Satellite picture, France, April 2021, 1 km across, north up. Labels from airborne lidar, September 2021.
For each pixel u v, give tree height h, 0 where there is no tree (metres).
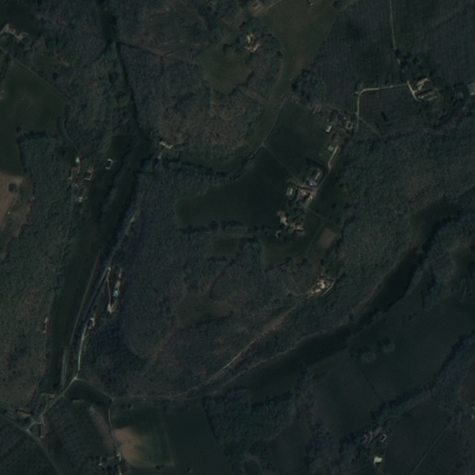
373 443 0
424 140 19
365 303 20
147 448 0
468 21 18
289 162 0
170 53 0
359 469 7
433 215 0
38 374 8
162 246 18
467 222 21
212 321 7
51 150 20
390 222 22
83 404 0
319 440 15
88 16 22
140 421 0
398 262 19
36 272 18
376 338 0
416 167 20
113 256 16
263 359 15
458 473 15
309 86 17
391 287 0
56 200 23
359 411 0
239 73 0
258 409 16
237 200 0
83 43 22
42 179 21
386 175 25
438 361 0
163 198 20
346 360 0
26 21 0
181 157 7
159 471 8
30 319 10
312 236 0
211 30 15
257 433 25
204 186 22
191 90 17
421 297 0
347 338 16
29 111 0
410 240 16
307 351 0
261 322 16
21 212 0
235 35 0
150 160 9
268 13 0
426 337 0
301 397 12
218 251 0
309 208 0
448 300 0
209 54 0
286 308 22
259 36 19
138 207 15
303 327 9
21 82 0
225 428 27
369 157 26
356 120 13
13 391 0
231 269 20
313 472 15
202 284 11
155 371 10
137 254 16
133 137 8
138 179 22
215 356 9
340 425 0
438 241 23
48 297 18
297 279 22
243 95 18
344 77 9
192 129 7
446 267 24
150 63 18
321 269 7
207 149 15
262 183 0
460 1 11
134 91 18
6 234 0
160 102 10
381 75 8
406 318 7
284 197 0
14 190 19
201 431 0
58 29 26
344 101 8
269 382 0
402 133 10
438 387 12
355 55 9
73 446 8
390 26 8
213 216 0
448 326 0
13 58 12
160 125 15
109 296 9
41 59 0
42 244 15
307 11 0
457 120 10
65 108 0
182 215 0
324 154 0
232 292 21
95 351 12
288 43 0
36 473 9
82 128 22
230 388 0
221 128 14
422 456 0
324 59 13
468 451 12
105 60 24
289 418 20
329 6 0
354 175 23
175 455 0
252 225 0
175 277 14
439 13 13
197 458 0
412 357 0
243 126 15
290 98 0
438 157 18
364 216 27
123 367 9
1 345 9
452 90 12
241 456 7
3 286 20
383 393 0
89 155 7
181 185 23
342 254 25
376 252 23
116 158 0
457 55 14
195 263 15
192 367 22
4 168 0
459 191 20
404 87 11
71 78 26
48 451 8
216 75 0
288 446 0
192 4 14
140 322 17
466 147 18
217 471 0
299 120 0
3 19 0
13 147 0
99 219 8
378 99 9
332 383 0
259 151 0
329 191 0
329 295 13
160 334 16
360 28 11
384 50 7
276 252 0
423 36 11
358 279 25
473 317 0
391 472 0
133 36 16
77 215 12
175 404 10
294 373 0
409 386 0
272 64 17
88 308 0
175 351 18
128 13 15
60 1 6
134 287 18
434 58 10
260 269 22
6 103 0
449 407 16
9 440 12
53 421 12
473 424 21
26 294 16
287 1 0
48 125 0
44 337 20
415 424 0
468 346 22
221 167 0
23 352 15
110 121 24
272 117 0
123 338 14
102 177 0
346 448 11
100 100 26
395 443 0
